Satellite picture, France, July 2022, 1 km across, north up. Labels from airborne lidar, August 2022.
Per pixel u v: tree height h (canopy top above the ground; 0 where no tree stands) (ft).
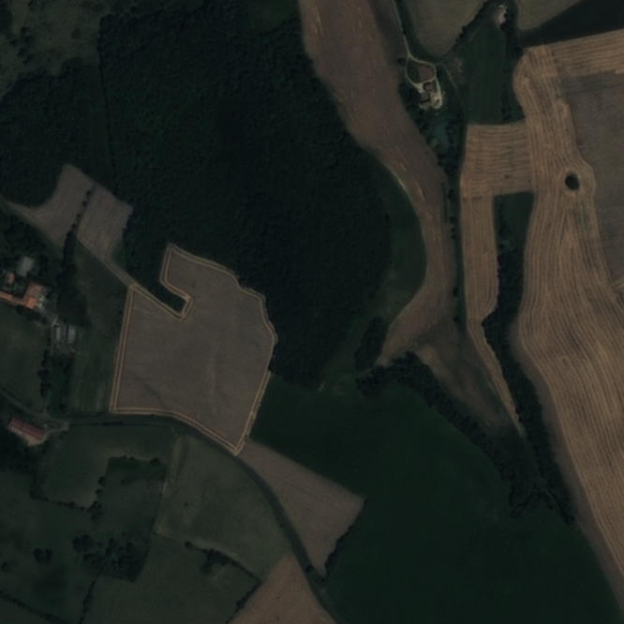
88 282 0
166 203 40
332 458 0
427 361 0
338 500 0
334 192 59
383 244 53
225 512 0
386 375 88
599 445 0
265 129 58
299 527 0
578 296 0
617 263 0
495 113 0
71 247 37
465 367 0
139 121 29
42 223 0
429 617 0
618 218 0
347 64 0
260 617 0
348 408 0
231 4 65
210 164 30
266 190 63
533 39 0
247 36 78
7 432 25
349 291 56
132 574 51
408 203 0
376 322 48
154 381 0
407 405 0
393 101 0
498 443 0
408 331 0
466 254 0
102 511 28
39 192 42
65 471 0
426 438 0
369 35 0
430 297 0
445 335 0
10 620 0
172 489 0
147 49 66
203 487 0
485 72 0
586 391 0
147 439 0
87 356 0
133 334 0
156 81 53
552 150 0
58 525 0
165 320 0
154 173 40
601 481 0
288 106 70
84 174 26
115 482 0
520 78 0
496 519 0
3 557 0
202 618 0
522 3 0
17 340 0
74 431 0
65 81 58
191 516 0
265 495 0
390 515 0
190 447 0
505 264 52
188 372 0
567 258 0
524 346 0
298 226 63
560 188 0
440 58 0
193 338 0
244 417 0
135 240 49
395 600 0
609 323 0
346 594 0
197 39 82
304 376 58
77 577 0
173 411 0
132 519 0
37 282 34
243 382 0
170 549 0
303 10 0
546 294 0
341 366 0
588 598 0
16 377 0
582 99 0
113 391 0
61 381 0
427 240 0
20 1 0
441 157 46
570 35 0
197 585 0
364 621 0
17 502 0
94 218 0
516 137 0
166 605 0
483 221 0
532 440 51
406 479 0
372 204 68
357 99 0
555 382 0
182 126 22
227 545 0
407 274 0
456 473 0
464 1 0
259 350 0
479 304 0
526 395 44
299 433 0
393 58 0
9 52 0
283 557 0
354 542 0
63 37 0
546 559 0
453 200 41
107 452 0
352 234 54
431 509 0
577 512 0
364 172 77
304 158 62
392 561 0
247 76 55
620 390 0
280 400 0
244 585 0
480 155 0
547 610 0
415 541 0
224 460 0
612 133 0
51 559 49
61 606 0
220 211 42
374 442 0
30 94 57
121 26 52
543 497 55
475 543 0
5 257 22
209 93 52
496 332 47
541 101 0
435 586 0
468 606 0
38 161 47
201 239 45
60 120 58
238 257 41
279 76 82
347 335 49
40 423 0
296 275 49
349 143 40
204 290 0
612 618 0
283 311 46
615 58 0
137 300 0
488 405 0
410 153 0
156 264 30
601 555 0
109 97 31
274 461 0
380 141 0
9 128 71
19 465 34
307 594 0
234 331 0
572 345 0
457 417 71
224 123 33
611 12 0
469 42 0
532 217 0
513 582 0
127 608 0
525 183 0
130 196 31
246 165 56
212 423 0
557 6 0
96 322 0
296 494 0
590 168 0
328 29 0
